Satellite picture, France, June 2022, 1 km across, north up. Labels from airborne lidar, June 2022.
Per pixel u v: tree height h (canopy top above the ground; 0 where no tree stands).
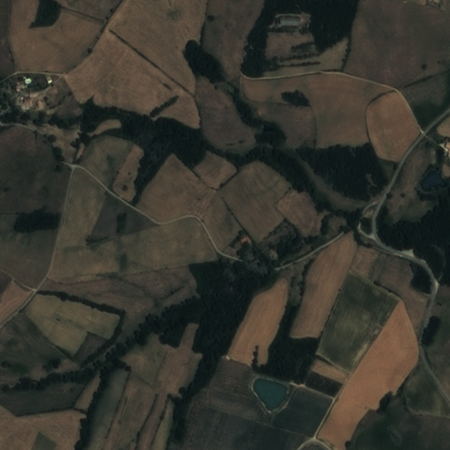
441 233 11
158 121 8
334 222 0
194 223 0
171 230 0
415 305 0
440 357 0
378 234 8
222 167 0
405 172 0
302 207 0
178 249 0
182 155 12
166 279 0
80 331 0
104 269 0
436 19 0
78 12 0
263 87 0
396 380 0
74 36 0
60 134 0
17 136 0
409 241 15
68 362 0
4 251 0
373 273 0
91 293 0
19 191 0
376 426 0
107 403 0
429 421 0
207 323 15
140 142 8
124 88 0
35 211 8
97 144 0
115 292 0
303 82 0
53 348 0
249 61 8
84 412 9
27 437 0
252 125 12
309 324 0
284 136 6
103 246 0
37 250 0
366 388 0
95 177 0
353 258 0
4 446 0
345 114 0
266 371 9
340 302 0
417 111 0
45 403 0
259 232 0
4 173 0
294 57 10
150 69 0
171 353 0
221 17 0
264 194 0
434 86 0
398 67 0
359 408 0
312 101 0
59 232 0
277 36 0
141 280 0
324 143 0
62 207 0
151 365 0
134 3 0
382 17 0
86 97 0
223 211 0
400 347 0
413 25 0
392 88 0
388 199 7
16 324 0
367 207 0
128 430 0
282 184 0
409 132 0
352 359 0
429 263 9
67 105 0
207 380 8
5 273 0
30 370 0
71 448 0
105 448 0
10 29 0
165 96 0
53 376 11
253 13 0
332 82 0
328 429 0
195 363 0
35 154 0
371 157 16
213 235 0
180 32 0
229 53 0
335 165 12
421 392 0
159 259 0
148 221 0
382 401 11
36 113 0
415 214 0
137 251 0
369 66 0
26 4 0
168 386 0
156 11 0
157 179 0
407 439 0
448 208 15
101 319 0
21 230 9
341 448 0
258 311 0
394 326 0
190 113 0
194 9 0
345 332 0
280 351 7
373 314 0
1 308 0
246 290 12
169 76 0
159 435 0
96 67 0
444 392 0
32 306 0
